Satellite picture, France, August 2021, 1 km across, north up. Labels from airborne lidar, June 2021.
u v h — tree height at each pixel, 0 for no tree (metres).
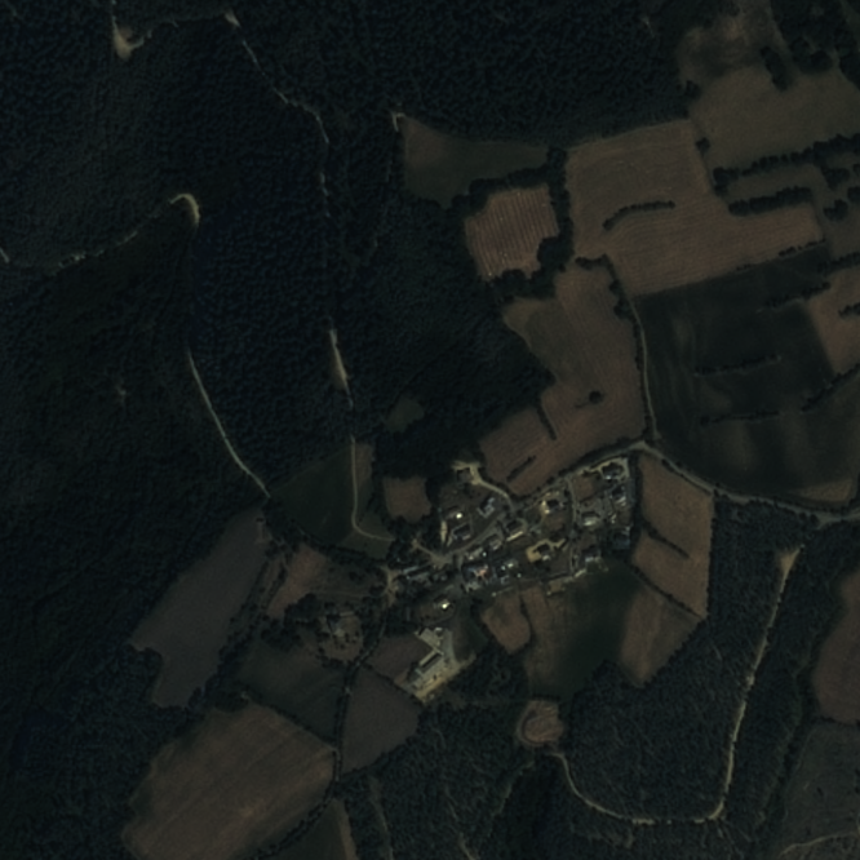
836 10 14
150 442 15
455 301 25
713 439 0
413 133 0
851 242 0
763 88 0
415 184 0
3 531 18
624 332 0
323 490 0
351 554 10
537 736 0
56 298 23
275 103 22
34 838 17
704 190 0
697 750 16
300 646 7
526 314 0
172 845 0
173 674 0
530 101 23
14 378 27
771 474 0
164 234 32
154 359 9
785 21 10
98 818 17
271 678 0
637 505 7
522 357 15
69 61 35
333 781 5
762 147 0
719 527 14
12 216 22
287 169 29
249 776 0
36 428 24
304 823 7
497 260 0
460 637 0
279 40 20
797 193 13
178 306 11
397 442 17
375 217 9
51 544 16
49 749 28
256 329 24
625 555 10
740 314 0
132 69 15
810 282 0
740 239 0
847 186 0
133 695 18
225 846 0
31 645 15
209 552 10
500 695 13
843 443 0
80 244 22
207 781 0
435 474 15
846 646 0
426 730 12
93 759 20
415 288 20
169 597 0
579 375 0
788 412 0
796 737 6
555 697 6
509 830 17
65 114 33
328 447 18
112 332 15
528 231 0
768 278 0
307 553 0
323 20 29
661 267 0
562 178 14
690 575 0
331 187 10
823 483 0
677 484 0
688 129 0
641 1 8
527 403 11
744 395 0
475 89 32
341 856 0
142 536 19
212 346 30
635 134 0
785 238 0
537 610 0
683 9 15
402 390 8
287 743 0
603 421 0
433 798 14
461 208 19
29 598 13
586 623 0
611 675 14
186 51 21
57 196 19
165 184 25
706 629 13
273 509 15
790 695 19
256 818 0
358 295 25
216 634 0
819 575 16
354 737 0
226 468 9
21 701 13
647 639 0
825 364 0
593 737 15
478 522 0
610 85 31
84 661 6
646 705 15
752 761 13
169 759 0
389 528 8
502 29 12
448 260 12
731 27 0
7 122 30
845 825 0
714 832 13
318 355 25
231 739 0
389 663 0
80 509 16
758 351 0
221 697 15
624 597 0
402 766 13
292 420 21
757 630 12
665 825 14
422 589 7
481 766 14
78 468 7
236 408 29
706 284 0
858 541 17
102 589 9
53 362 25
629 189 0
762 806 12
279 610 0
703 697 12
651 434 12
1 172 33
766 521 13
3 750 12
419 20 24
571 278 0
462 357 10
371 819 15
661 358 0
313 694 0
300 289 33
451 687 6
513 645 0
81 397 9
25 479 21
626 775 13
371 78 35
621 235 0
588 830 14
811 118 0
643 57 31
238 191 16
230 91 36
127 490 13
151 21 20
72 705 14
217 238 31
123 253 11
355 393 19
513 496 7
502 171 0
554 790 17
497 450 0
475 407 26
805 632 16
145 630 0
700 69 0
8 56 35
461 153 0
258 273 35
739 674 11
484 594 0
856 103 0
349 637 8
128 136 17
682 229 0
